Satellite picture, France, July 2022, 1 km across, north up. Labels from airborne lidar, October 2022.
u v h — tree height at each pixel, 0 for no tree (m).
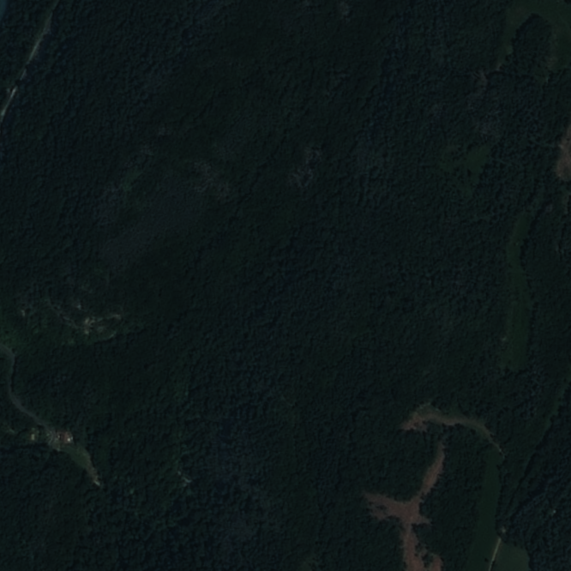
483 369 14
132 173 23
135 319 9
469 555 14
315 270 16
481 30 8
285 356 20
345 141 19
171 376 15
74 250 15
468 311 15
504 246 16
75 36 14
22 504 16
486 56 11
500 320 9
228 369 14
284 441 15
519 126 10
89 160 20
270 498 10
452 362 15
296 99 20
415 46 17
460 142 16
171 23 18
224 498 16
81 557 22
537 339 18
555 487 29
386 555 11
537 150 17
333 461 27
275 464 12
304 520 13
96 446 15
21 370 16
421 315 11
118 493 16
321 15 15
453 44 16
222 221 17
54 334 8
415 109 16
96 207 18
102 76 16
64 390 14
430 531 15
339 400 23
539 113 19
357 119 21
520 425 13
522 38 18
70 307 12
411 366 12
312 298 18
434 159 13
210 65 14
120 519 23
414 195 18
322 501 24
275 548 17
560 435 32
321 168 28
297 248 22
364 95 20
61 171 18
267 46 15
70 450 0
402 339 14
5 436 7
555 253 15
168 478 9
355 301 13
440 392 15
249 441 6
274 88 13
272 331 12
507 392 16
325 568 19
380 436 12
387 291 9
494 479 0
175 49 19
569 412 26
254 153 16
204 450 15
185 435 8
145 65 13
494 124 24
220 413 13
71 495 15
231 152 16
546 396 17
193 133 20
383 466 11
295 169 13
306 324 12
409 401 15
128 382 18
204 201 23
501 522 20
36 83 16
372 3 18
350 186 17
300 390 13
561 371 18
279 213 20
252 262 20
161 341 17
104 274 13
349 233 23
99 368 17
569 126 20
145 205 19
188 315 27
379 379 19
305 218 18
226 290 17
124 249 19
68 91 21
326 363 17
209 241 11
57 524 16
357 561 10
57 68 19
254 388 12
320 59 25
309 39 18
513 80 18
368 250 26
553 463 19
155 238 17
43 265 15
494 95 19
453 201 10
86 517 6
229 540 7
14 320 9
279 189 18
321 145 10
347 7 21
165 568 18
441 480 10
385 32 18
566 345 19
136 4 12
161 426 14
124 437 20
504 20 17
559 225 14
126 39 16
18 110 8
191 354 12
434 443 17
